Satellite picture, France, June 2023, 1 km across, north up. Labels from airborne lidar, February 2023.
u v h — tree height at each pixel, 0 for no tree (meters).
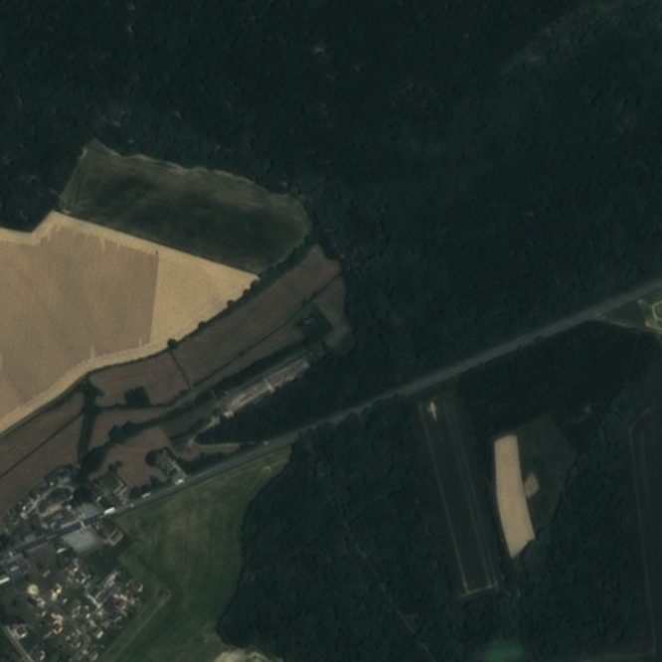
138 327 0
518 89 22
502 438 0
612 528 25
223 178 0
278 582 21
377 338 15
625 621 23
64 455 0
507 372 6
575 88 25
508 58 25
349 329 0
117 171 0
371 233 11
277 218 0
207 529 0
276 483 17
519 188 25
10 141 27
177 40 30
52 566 0
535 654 12
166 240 0
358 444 21
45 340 0
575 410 6
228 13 26
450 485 0
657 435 0
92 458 18
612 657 0
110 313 0
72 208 0
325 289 0
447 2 22
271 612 23
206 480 0
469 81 23
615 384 7
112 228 0
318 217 21
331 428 18
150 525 0
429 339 23
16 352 0
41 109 27
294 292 0
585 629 19
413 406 0
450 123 26
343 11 28
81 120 26
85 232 0
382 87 24
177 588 0
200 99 27
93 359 0
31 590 0
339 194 25
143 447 0
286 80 26
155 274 0
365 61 25
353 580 25
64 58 30
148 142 25
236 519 0
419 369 17
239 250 0
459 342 23
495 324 23
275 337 0
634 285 19
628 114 25
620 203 22
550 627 23
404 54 25
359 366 16
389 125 23
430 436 0
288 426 20
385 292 21
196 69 27
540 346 8
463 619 21
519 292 23
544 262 21
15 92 26
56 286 0
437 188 21
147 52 26
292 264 9
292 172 26
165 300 0
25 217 24
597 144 25
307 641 24
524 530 0
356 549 22
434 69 22
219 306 0
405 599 23
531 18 25
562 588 21
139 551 0
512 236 24
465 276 23
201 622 0
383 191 26
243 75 30
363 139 26
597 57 23
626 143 22
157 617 0
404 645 23
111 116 27
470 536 0
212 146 24
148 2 26
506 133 14
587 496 23
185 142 26
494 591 0
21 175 30
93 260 0
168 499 0
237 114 28
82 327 0
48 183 23
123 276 0
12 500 0
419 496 20
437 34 23
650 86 28
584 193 26
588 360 8
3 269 0
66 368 0
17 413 0
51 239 0
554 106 24
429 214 28
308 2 24
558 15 25
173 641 0
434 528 15
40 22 26
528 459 0
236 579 0
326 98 25
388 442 25
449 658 12
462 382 7
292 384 12
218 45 30
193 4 19
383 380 17
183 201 0
